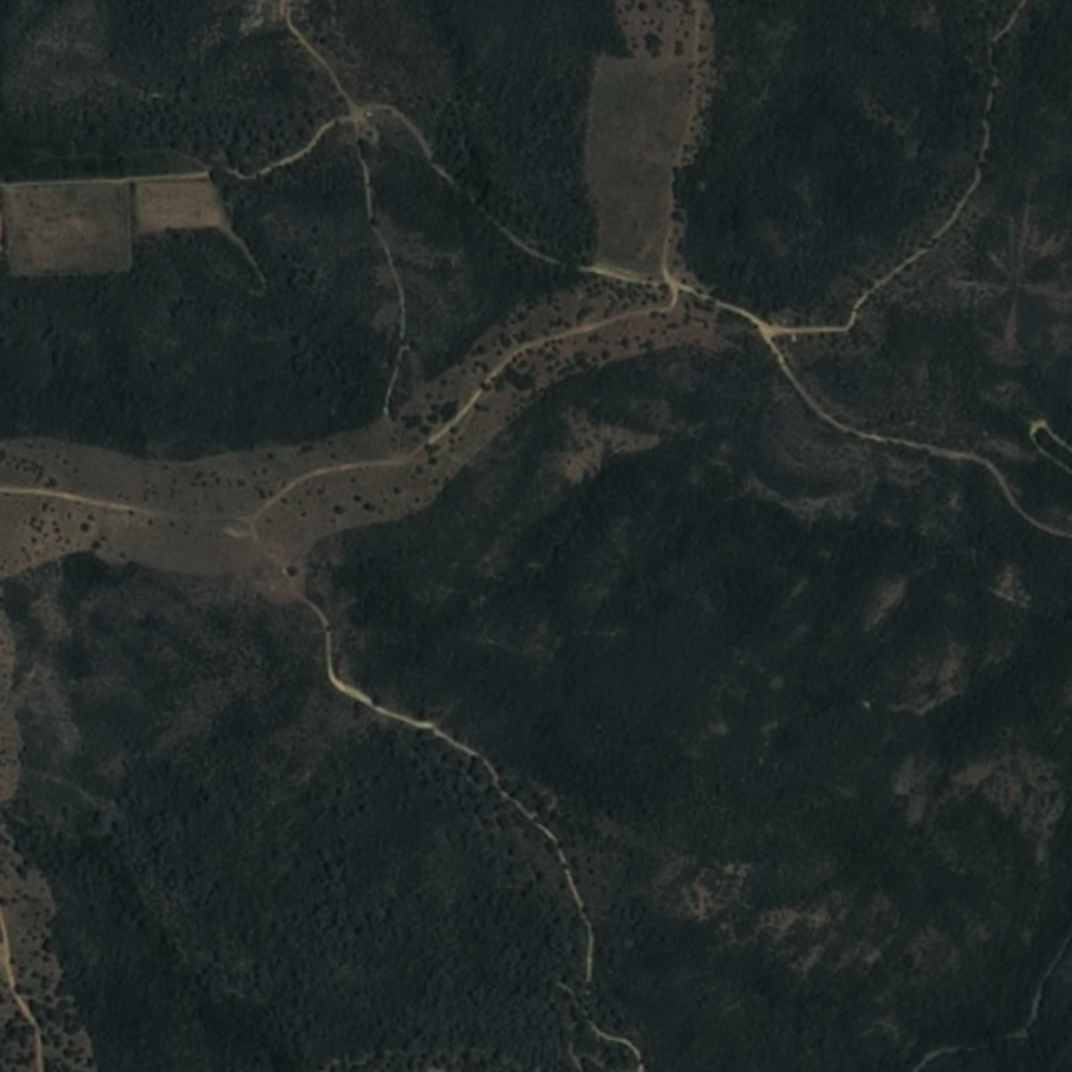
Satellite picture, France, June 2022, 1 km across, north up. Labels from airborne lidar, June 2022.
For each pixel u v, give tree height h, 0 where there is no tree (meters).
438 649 9
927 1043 7
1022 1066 8
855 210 6
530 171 6
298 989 12
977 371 6
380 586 8
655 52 6
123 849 14
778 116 8
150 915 8
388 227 0
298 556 0
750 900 5
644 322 0
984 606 7
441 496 8
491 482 0
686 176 7
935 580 9
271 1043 11
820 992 6
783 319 0
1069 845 9
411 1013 13
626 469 6
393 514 0
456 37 6
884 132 6
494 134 9
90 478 0
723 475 7
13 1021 7
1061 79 6
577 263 8
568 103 7
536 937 9
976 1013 10
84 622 0
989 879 6
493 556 0
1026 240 0
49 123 7
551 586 7
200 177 0
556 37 6
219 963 13
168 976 15
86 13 0
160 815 7
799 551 7
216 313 11
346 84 6
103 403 7
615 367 5
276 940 9
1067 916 13
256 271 7
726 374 7
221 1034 9
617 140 0
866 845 7
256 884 7
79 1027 8
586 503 8
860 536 8
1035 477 7
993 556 6
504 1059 13
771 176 5
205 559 0
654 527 6
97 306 9
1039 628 7
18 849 12
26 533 0
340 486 0
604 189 0
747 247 8
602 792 6
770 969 6
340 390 8
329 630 7
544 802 11
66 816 12
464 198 8
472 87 10
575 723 6
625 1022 13
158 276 5
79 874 13
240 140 14
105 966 7
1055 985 6
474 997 15
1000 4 7
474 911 7
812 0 6
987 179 6
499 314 6
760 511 9
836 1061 5
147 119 11
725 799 7
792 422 0
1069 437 7
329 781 8
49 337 8
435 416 7
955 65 6
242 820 12
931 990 5
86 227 0
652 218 0
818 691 6
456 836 9
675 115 0
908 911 5
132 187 5
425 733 11
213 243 7
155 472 0
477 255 6
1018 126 5
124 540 0
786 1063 6
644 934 11
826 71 7
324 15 6
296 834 10
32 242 0
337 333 6
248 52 7
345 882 11
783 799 7
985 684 6
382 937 15
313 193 7
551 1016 12
